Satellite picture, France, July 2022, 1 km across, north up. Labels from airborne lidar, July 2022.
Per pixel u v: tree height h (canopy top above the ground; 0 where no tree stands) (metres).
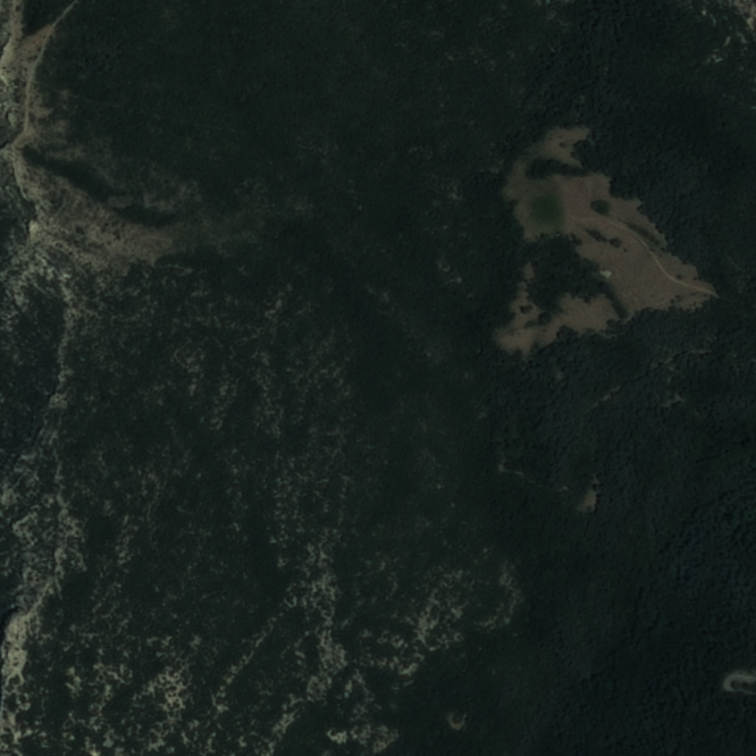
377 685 6
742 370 10
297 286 6
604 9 20
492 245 8
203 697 6
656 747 16
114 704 6
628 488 18
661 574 26
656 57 13
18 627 0
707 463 25
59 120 0
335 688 7
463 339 9
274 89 7
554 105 11
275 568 6
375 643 6
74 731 5
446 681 9
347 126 6
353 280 7
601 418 13
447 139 8
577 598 10
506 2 10
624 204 0
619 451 12
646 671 23
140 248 0
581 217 0
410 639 6
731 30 6
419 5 9
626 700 17
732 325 13
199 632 6
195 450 7
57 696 7
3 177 0
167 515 7
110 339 6
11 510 6
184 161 6
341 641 6
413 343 9
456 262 6
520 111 9
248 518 6
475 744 14
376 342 6
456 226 9
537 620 17
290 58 10
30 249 0
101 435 6
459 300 8
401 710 7
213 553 6
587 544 11
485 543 7
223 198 9
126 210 9
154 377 6
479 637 9
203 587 6
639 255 0
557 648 13
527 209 0
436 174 6
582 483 11
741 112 7
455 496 6
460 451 6
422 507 6
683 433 9
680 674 22
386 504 8
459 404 7
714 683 13
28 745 7
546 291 8
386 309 6
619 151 11
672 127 15
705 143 13
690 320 9
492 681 8
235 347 6
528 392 17
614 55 16
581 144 8
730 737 20
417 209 8
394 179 7
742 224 8
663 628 26
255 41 8
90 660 7
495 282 12
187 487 6
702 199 17
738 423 12
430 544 6
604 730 13
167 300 6
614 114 17
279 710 6
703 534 31
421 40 11
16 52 0
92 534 7
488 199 14
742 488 19
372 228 8
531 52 7
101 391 8
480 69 6
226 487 6
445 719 9
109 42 10
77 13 8
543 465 9
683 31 8
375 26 8
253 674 6
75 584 8
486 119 9
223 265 7
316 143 6
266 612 6
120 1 12
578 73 17
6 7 0
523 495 10
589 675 7
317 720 6
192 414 6
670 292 0
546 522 14
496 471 10
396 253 10
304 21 6
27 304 0
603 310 0
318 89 6
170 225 8
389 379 6
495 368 10
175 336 6
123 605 6
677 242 14
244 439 6
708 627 17
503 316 8
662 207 15
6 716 6
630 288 0
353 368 6
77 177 7
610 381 9
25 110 0
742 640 18
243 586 7
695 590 21
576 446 9
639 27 16
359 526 6
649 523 18
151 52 9
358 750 6
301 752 7
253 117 7
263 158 7
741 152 12
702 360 17
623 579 18
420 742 12
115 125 7
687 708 14
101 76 8
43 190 0
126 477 7
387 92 6
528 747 13
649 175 14
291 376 6
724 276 11
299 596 8
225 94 7
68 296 0
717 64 7
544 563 19
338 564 5
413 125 9
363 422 6
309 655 7
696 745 16
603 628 16
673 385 7
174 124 6
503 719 9
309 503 6
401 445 6
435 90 7
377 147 7
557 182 0
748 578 17
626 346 8
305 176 6
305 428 7
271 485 6
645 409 14
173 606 6
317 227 6
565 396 11
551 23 7
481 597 6
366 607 6
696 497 25
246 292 7
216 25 7
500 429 9
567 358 12
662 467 13
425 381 9
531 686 7
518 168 0
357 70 9
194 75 7
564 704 21
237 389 6
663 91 14
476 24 10
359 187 6
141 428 6
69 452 6
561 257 6
